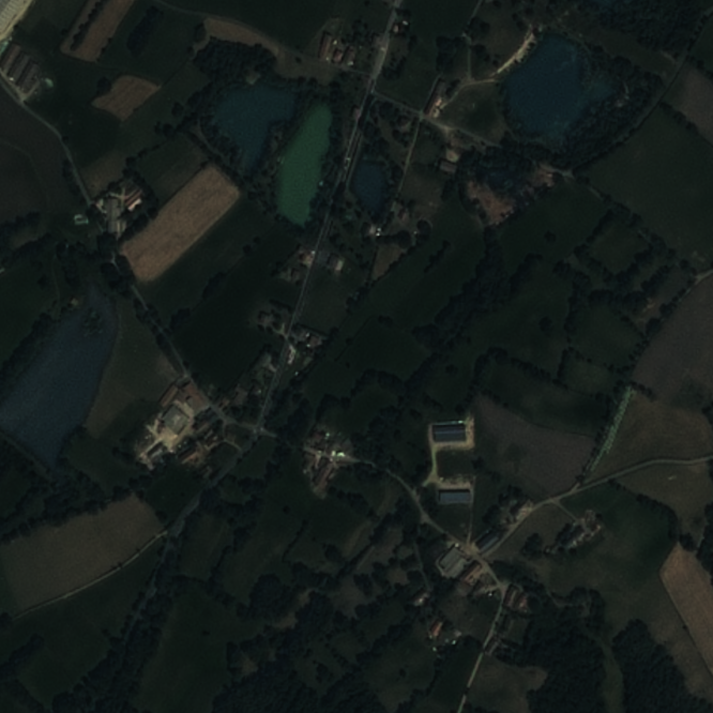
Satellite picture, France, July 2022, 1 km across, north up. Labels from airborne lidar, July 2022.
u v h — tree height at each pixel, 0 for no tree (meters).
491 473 14
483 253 0
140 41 25
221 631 0
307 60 0
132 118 0
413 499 0
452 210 0
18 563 0
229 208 0
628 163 0
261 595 24
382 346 0
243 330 0
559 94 0
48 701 0
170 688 0
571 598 9
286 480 0
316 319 0
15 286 0
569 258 0
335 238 11
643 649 6
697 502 0
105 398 0
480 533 0
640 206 0
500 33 0
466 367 0
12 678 19
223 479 5
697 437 0
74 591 0
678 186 0
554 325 16
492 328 0
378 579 16
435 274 0
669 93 0
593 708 15
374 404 0
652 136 0
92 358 0
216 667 0
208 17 0
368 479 16
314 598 16
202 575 0
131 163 12
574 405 0
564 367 12
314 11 0
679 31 15
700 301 0
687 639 0
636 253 0
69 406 0
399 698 0
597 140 12
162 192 0
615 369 12
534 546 13
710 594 0
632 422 0
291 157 0
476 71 0
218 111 0
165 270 0
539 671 0
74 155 0
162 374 0
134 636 20
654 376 0
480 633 0
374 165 0
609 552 0
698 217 0
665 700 10
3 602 0
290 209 0
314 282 0
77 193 18
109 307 0
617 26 16
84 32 10
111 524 0
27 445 0
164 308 0
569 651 16
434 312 0
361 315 0
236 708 10
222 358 0
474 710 14
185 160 0
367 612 21
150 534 0
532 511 0
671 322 0
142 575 0
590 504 0
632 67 17
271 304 9
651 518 0
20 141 0
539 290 0
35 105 0
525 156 12
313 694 14
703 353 0
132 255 0
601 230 13
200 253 0
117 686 21
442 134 0
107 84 15
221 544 0
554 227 0
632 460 0
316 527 0
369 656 16
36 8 0
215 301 0
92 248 0
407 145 16
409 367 0
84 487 12
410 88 0
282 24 0
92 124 0
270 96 0
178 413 0
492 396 8
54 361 0
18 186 0
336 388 0
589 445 0
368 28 10
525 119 0
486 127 0
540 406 0
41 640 15
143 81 0
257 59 14
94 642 0
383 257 0
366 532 0
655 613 0
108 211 0
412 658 0
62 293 0
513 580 9
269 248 0
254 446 8
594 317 0
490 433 0
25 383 0
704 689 0
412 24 9
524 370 16
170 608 19
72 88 0
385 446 22
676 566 0
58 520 15
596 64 13
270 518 0
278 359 15
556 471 0
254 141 0
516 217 17
